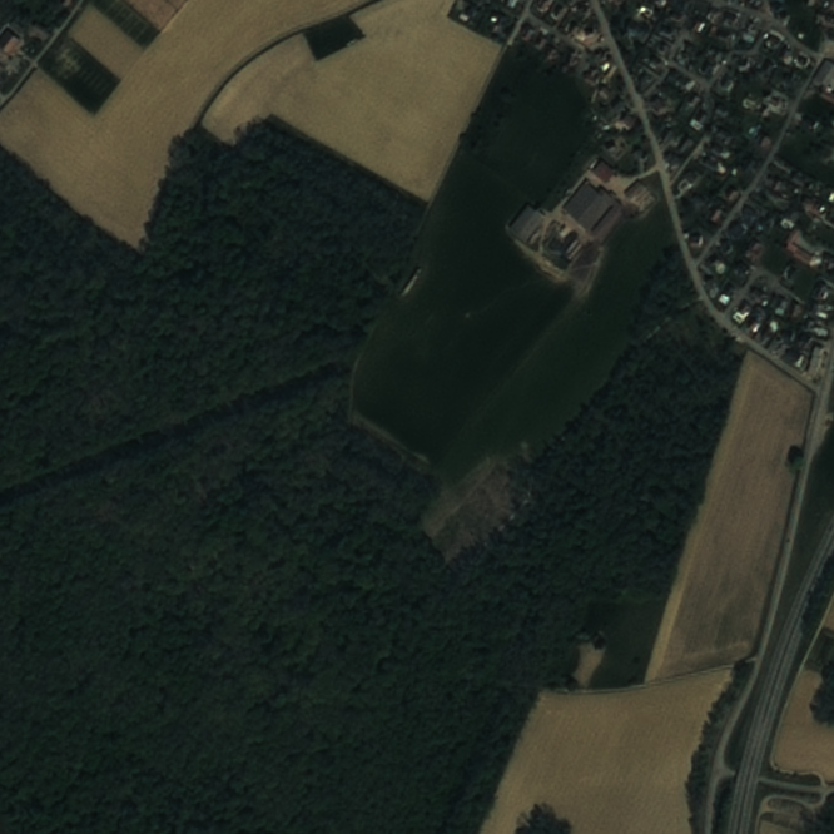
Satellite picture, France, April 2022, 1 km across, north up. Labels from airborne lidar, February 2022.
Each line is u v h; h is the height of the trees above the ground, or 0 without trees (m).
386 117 0
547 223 0
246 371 32
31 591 26
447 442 0
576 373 0
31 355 26
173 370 27
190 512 30
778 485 0
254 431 30
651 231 0
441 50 0
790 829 0
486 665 28
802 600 0
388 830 26
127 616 26
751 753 0
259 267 27
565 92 0
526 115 0
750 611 0
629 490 24
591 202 0
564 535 26
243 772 27
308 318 21
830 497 0
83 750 24
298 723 25
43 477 0
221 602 26
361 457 31
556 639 23
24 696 28
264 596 29
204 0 0
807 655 0
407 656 26
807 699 0
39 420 28
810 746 0
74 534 27
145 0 0
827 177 0
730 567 0
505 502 0
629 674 0
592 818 0
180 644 26
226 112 0
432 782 24
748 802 0
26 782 23
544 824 25
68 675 24
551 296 0
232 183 29
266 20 0
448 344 0
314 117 0
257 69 0
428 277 0
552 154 0
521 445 0
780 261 0
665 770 0
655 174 0
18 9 18
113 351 28
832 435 0
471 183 0
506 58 0
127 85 0
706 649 0
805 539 0
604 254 0
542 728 0
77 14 0
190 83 0
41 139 0
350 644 27
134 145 0
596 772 0
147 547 28
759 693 0
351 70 0
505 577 26
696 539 0
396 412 0
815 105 0
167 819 31
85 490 25
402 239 31
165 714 26
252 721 26
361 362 0
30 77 0
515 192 0
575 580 27
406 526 21
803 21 0
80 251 34
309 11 0
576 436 20
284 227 32
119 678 28
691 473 25
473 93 0
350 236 34
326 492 30
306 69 0
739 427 0
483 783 24
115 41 0
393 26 0
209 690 26
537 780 0
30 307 31
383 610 29
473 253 0
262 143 28
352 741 24
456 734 24
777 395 0
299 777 27
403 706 23
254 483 36
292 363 31
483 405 0
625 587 22
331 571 27
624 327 0
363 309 22
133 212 0
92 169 0
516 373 0
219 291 28
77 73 0
